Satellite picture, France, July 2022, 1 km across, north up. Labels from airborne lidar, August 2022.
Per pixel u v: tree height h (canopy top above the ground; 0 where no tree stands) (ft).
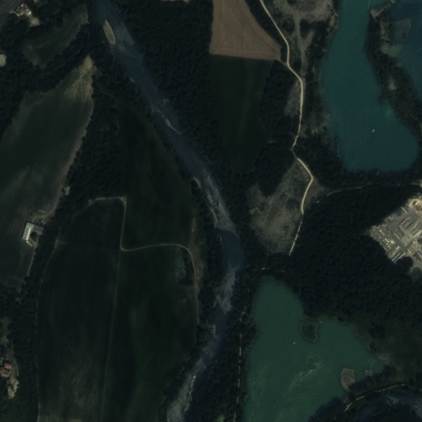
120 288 0
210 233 76
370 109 0
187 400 0
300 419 0
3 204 0
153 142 0
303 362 0
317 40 23
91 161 59
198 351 42
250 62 0
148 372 0
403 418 32
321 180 30
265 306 0
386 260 59
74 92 0
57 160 0
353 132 0
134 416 0
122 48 0
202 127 81
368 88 0
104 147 86
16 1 0
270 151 56
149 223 0
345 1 0
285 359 0
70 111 0
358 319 0
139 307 0
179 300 0
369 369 0
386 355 0
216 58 0
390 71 23
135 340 0
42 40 0
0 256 0
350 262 62
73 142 0
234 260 0
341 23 0
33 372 53
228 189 71
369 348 0
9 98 40
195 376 0
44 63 0
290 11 0
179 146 0
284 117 32
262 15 26
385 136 0
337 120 0
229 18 0
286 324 0
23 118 0
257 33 0
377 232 0
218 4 0
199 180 0
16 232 0
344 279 56
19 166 0
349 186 40
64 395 0
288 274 72
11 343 30
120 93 85
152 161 0
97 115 46
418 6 0
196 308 0
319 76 0
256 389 0
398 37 0
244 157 0
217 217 0
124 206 0
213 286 34
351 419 82
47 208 0
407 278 54
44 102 0
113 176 51
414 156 0
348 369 0
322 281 82
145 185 0
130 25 64
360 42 0
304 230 38
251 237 37
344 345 0
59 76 26
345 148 0
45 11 37
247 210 65
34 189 0
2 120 34
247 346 64
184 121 65
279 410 0
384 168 0
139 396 0
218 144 52
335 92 0
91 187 54
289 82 32
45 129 0
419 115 20
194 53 83
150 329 0
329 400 0
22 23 54
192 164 0
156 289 0
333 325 0
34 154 0
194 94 105
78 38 53
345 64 0
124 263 0
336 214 56
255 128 0
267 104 60
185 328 0
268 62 0
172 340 0
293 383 0
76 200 77
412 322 22
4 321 0
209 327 0
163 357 0
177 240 0
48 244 31
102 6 0
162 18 45
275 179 27
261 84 0
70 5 71
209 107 61
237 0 0
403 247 0
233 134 0
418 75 0
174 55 42
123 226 0
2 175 0
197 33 77
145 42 50
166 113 0
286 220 0
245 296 100
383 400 0
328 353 0
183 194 0
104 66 73
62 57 27
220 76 0
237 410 51
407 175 73
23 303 31
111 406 0
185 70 71
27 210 0
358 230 78
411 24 0
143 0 59
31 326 47
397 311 75
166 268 0
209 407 65
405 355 0
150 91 0
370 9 0
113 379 0
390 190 33
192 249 0
